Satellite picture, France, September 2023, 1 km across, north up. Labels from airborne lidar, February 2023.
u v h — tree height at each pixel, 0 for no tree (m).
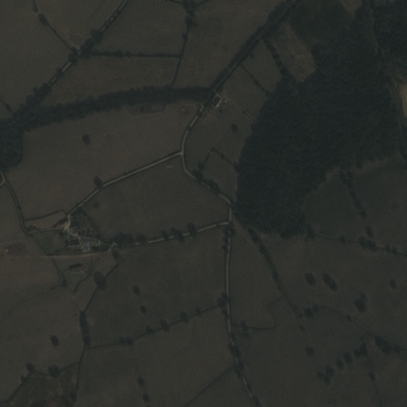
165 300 0
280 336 0
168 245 0
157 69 0
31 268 0
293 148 18
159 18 0
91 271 0
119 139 0
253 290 0
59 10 0
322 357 0
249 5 0
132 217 0
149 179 0
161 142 0
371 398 0
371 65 19
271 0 0
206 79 0
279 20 13
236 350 14
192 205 0
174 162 0
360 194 0
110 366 0
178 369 0
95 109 15
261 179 25
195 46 0
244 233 0
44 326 0
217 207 0
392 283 10
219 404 0
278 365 0
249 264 0
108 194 0
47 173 0
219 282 0
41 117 24
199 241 0
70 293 0
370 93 23
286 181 17
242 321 0
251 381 0
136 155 0
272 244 0
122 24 0
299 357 0
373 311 0
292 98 23
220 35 0
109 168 0
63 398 0
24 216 0
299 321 0
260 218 21
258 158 26
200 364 0
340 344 0
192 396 0
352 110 20
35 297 0
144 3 0
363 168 0
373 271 0
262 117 20
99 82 0
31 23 0
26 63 0
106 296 0
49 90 10
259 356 0
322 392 0
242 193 23
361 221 0
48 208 0
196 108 0
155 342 0
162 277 0
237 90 0
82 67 0
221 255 0
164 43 0
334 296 0
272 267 0
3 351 0
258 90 0
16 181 0
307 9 0
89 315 0
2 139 25
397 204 0
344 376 0
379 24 14
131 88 0
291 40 0
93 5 0
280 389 0
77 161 0
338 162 16
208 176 0
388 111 16
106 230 0
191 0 0
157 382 0
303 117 22
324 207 0
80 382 0
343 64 19
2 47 0
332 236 0
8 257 0
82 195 0
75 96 0
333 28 0
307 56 0
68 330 0
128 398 0
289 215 21
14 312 0
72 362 0
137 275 0
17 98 0
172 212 0
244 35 0
